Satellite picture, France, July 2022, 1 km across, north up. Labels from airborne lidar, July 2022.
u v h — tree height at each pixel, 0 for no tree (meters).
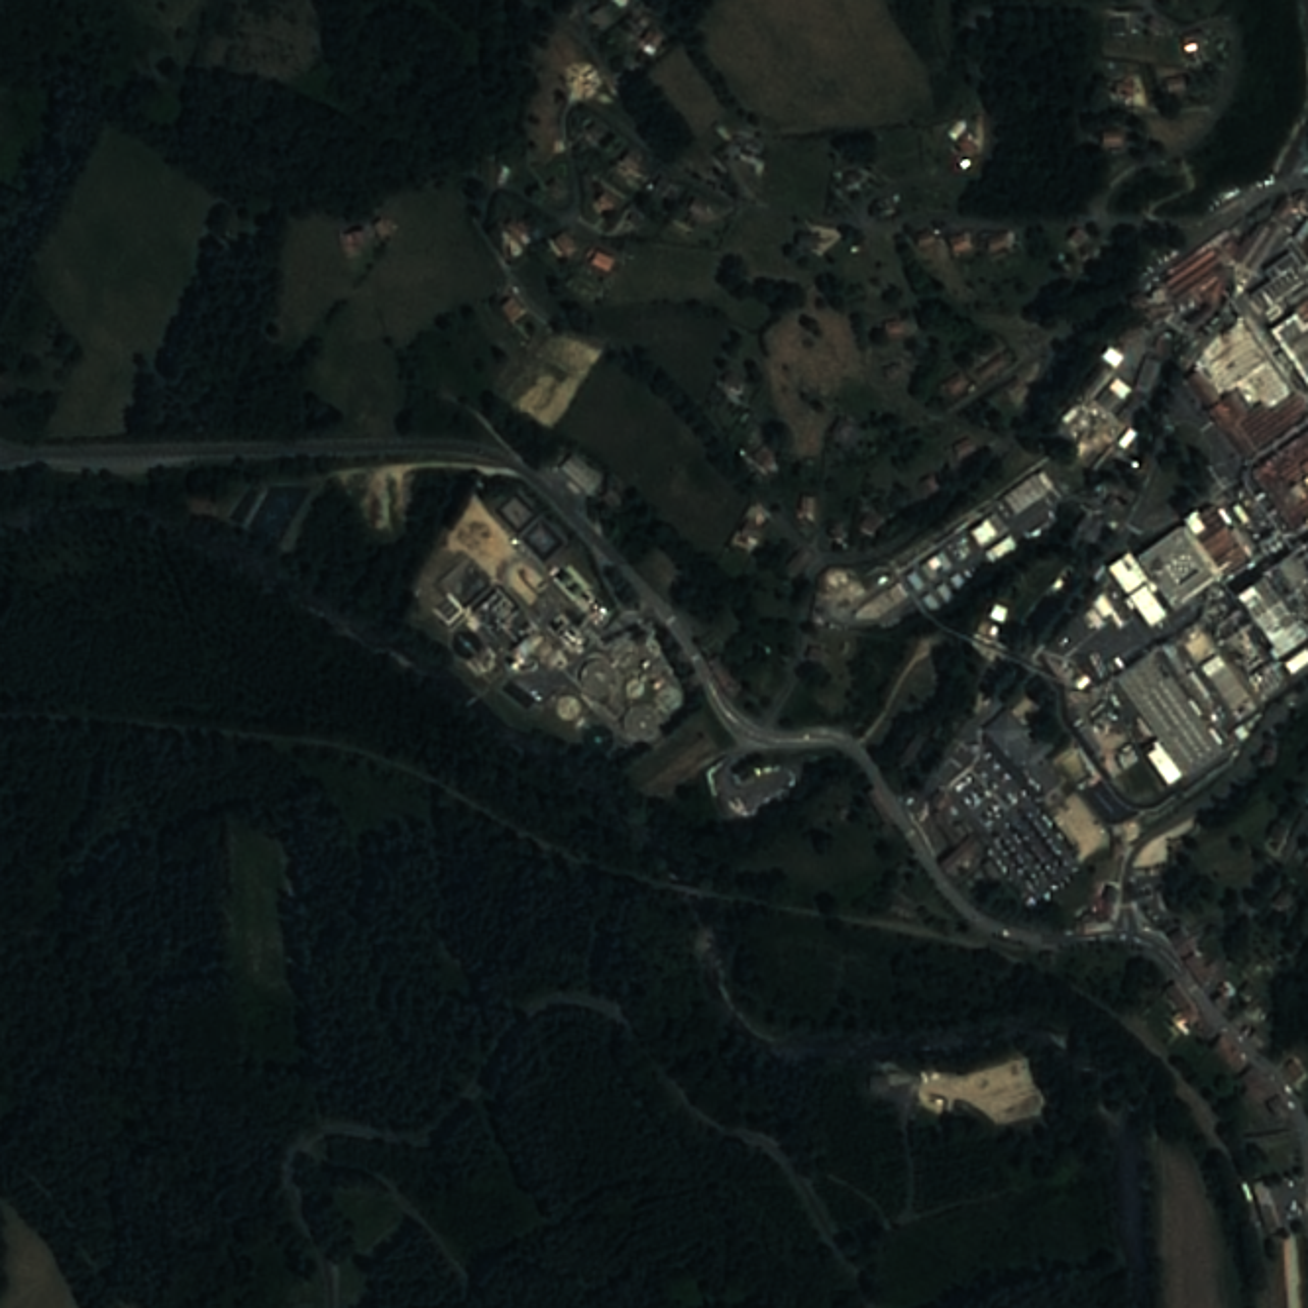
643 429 0
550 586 0
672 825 15
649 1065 32
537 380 0
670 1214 11
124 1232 23
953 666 22
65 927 20
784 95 0
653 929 24
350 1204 0
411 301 0
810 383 0
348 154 19
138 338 0
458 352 0
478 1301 19
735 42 0
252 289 27
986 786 0
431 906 32
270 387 21
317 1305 0
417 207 0
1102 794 0
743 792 0
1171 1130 20
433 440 0
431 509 12
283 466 19
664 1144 17
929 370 15
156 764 21
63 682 10
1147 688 0
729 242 0
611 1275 12
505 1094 24
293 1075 25
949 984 10
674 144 22
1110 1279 23
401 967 41
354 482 0
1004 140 10
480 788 20
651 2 20
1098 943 6
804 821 18
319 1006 32
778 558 20
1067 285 16
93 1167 29
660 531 21
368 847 18
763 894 19
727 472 20
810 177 0
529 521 0
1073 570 19
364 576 7
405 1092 35
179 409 18
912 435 8
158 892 26
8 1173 24
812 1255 22
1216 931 6
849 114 0
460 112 23
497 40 16
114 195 0
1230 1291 0
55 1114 24
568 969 33
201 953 16
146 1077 31
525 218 6
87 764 13
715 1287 15
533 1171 27
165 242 0
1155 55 0
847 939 0
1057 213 22
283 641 8
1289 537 0
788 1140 24
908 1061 10
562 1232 12
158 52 0
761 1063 27
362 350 0
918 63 0
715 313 9
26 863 28
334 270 0
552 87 0
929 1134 9
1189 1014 0
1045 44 8
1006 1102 0
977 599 21
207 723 8
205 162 27
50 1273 0
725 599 19
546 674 0
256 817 37
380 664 8
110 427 0
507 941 30
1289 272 0
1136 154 15
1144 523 0
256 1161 26
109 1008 12
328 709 14
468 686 0
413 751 14
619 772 17
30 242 26
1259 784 12
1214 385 0
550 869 32
